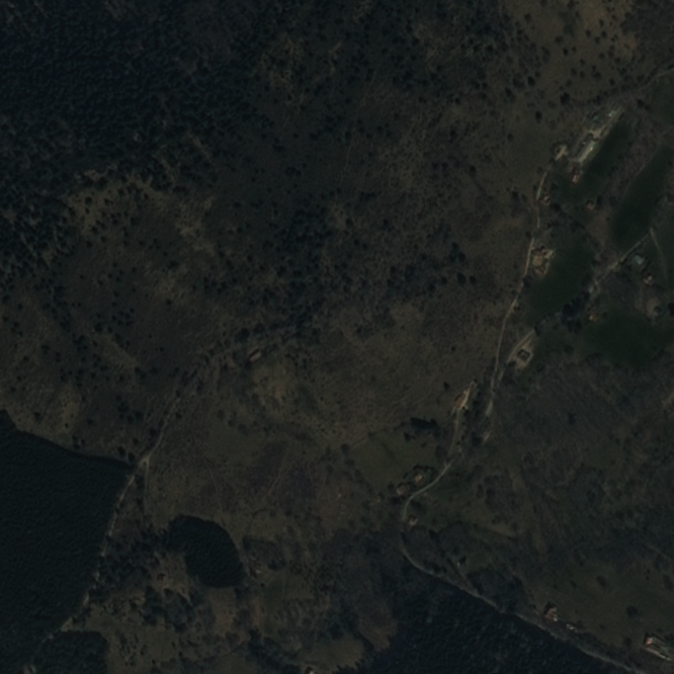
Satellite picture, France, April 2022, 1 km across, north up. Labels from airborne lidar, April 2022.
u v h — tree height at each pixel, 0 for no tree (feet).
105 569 54
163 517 0
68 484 49
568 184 0
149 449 30
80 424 0
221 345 52
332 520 0
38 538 67
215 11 33
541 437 56
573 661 84
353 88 49
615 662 37
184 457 0
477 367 0
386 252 21
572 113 40
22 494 72
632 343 0
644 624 0
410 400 0
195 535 87
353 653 0
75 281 0
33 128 34
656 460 66
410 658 69
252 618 58
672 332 0
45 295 0
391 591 55
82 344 37
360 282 29
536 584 40
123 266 0
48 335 0
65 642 73
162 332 0
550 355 44
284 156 27
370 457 0
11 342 0
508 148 0
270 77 0
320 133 26
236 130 24
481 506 0
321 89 42
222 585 74
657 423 0
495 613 82
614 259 39
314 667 0
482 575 34
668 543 56
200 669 45
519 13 0
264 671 44
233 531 0
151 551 52
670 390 56
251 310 27
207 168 40
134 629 0
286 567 42
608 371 67
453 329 0
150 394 0
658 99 0
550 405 52
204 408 0
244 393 41
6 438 61
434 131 30
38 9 73
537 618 55
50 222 48
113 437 0
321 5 49
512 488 46
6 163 48
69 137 39
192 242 0
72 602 70
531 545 71
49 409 0
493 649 98
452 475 28
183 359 0
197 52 42
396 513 49
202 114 20
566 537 71
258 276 27
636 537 57
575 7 48
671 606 0
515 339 25
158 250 27
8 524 73
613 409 53
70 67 60
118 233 0
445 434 32
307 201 30
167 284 0
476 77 29
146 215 0
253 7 39
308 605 44
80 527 64
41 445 62
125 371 0
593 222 0
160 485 0
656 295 38
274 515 23
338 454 0
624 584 0
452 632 99
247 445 0
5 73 67
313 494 0
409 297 25
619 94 46
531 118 0
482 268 20
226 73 60
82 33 67
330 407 0
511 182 27
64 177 21
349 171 0
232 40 46
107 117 66
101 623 0
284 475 0
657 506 61
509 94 56
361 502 0
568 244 0
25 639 74
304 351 26
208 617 35
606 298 0
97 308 0
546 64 45
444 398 0
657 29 37
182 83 80
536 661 106
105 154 31
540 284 0
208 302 0
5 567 65
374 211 20
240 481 0
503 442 0
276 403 45
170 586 0
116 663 0
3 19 83
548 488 70
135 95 63
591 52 0
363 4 0
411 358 0
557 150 25
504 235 0
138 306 0
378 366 0
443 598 72
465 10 31
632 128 30
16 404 0
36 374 0
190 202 0
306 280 31
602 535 79
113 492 48
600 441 52
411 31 55
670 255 0
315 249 44
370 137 41
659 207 32
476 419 23
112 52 58
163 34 75
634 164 40
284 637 48
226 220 0
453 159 53
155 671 29
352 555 64
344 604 70
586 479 72
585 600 0
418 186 0
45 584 85
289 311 51
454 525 23
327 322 31
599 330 0
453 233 63
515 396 52
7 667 85
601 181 0
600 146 0
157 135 61
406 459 0
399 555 58
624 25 25
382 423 0
